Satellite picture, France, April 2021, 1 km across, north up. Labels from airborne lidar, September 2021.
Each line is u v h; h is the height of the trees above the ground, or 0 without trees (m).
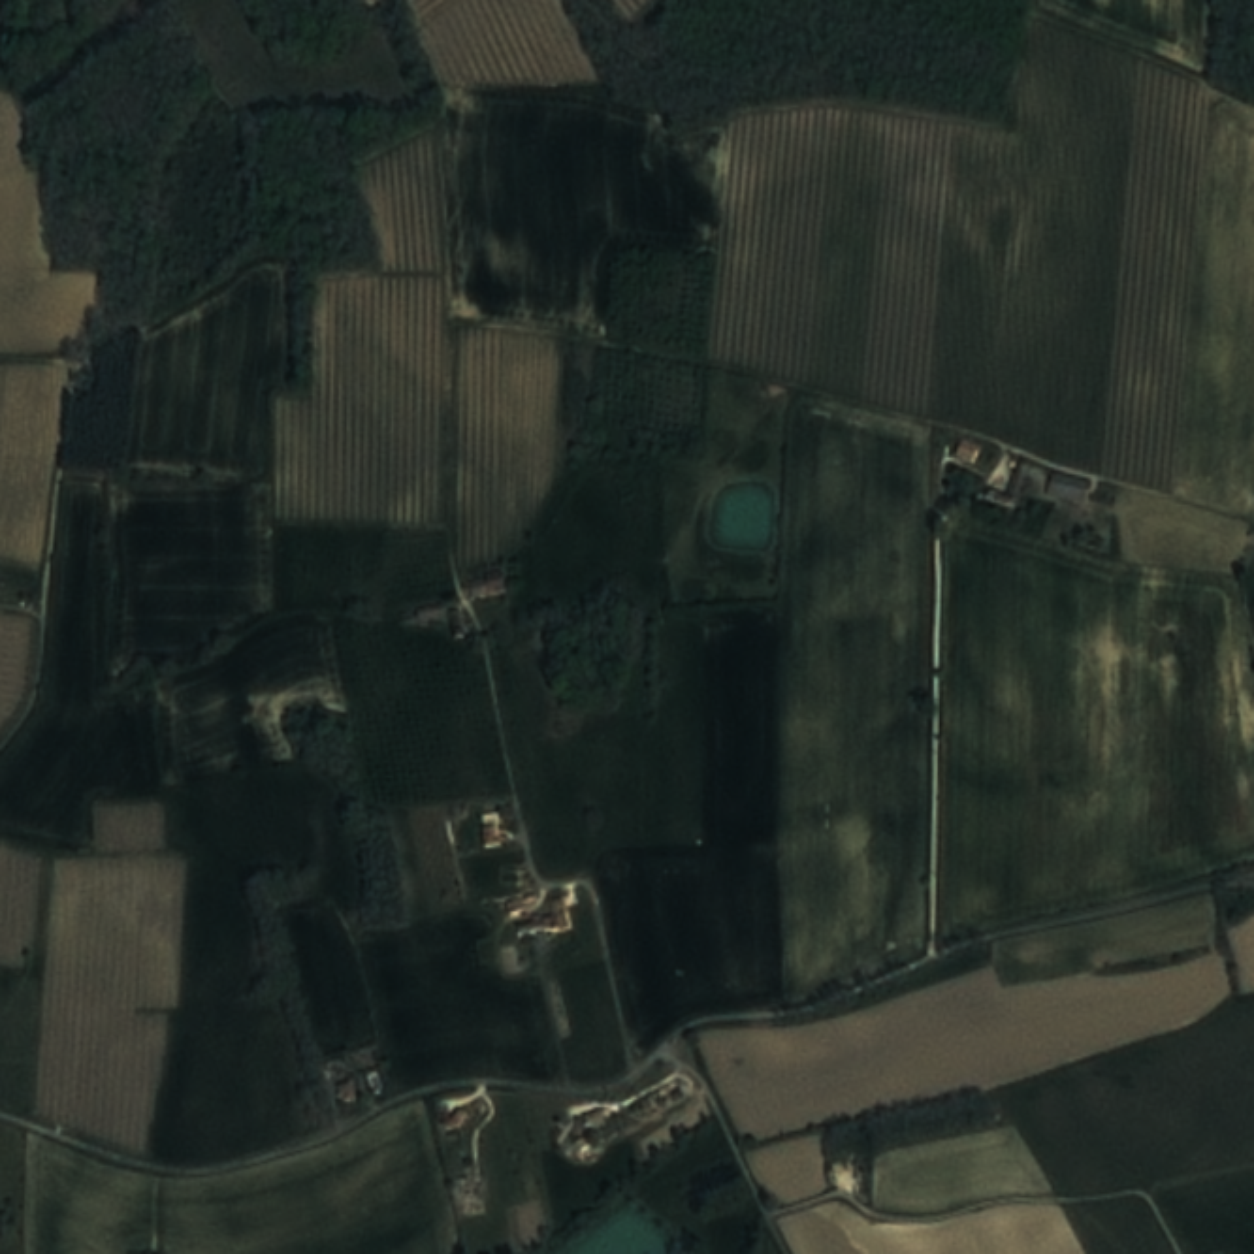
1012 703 0
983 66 18
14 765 0
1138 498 0
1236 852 0
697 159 0
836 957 0
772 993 0
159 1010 0
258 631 0
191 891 0
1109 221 0
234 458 0
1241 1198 0
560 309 0
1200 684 0
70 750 0
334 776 19
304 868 9
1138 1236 0
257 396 0
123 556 0
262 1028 0
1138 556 0
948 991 0
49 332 0
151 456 0
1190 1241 0
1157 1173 0
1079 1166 0
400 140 13
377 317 0
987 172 0
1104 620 0
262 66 0
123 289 14
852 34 15
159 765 0
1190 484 0
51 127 20
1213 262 0
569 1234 5
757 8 13
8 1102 0
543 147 0
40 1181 0
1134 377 0
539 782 0
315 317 16
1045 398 0
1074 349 0
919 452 0
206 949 0
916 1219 0
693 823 0
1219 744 0
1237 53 19
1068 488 0
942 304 0
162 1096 0
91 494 0
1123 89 0
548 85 0
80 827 0
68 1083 0
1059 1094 0
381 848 12
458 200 0
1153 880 0
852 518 0
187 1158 0
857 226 0
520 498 0
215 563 0
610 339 0
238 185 10
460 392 0
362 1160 0
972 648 0
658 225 0
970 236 0
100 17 18
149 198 19
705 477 0
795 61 13
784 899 0
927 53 17
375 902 12
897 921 0
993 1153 0
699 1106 0
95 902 0
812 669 0
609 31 16
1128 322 0
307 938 0
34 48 25
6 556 0
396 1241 0
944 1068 0
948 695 0
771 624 0
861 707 0
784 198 0
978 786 0
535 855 0
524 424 0
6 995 0
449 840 0
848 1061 0
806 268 0
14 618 0
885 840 0
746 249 0
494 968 0
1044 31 0
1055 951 0
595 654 28
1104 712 0
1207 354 0
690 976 0
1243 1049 0
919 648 0
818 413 0
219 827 0
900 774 0
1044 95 0
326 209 25
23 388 0
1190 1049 0
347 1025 0
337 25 27
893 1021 0
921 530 0
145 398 0
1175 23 0
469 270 0
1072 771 0
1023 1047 0
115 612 0
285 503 0
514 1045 0
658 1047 0
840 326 0
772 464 0
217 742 0
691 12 19
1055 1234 0
